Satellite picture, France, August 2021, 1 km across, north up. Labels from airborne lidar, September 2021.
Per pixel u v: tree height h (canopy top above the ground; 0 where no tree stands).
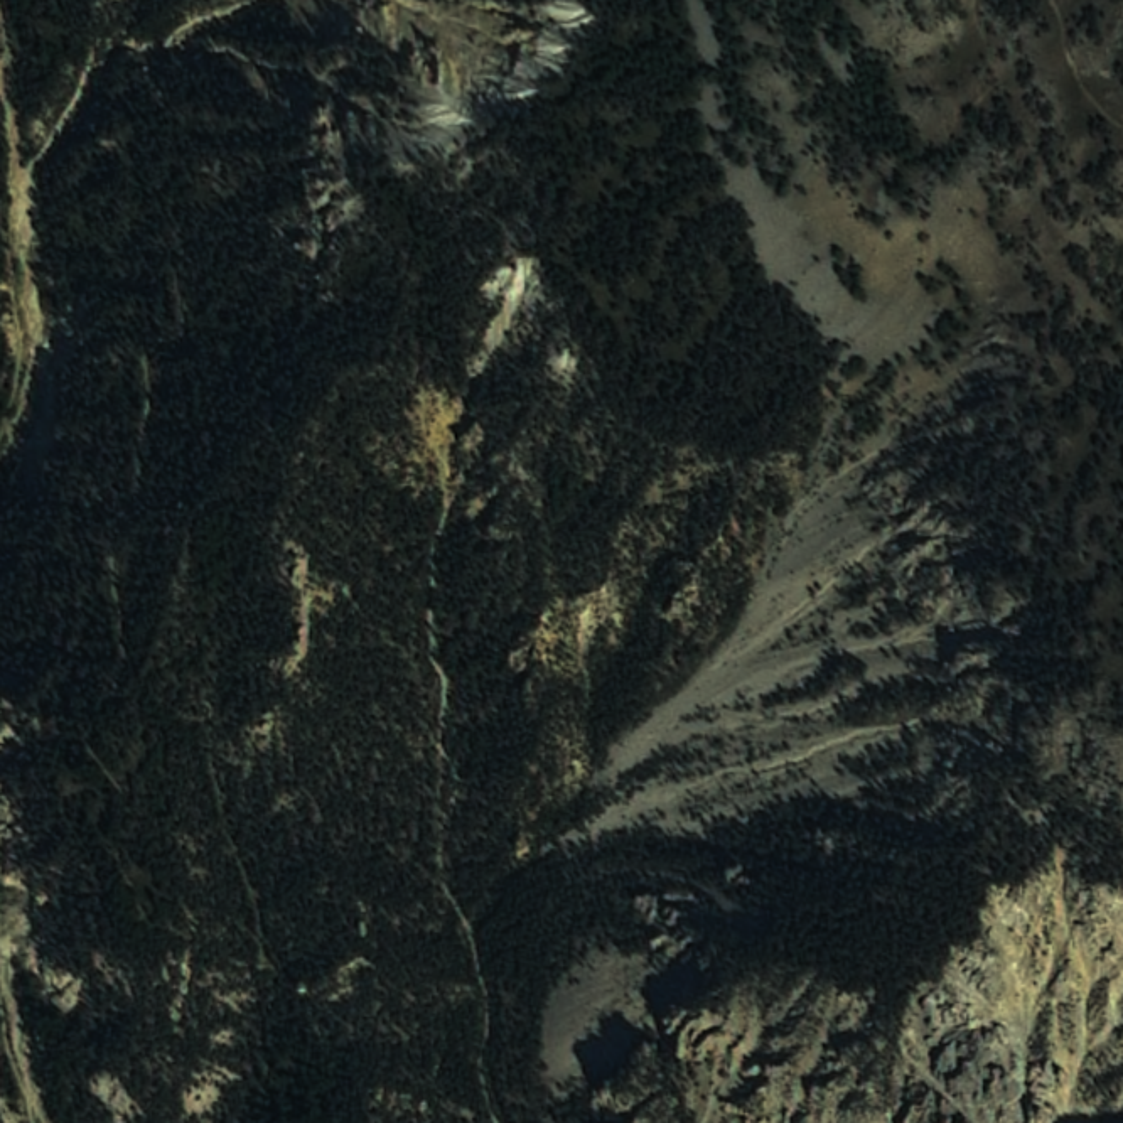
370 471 7
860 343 0
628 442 11
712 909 8
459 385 11
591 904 9
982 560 9
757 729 0
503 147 8
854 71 13
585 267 12
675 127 12
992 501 10
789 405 17
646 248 11
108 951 13
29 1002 13
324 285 10
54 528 14
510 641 12
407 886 22
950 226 0
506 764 16
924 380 0
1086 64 0
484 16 0
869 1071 8
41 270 17
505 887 10
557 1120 19
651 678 10
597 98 14
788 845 12
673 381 12
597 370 10
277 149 15
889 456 7
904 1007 9
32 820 14
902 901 14
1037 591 8
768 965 10
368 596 8
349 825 17
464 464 11
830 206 0
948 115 0
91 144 10
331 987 7
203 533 19
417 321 14
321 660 13
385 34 0
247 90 15
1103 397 13
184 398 13
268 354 15
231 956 11
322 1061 23
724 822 9
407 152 0
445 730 10
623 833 7
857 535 0
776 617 0
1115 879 14
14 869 16
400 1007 15
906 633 0
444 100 0
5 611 12
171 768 15
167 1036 16
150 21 13
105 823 9
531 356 9
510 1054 12
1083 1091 9
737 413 13
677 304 12
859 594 10
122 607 6
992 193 8
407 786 13
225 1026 12
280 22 8
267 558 10
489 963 12
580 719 6
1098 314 0
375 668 15
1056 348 8
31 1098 0
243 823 13
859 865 11
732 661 0
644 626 8
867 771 10
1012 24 8
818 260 7
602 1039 0
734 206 7
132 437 13
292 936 8
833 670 7
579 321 10
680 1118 13
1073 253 11
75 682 10
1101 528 11
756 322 9
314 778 12
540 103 6
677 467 12
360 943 9
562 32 0
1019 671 9
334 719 11
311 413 9
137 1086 16
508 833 15
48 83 13
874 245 0
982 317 0
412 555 16
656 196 19
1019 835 17
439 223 13
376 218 8
